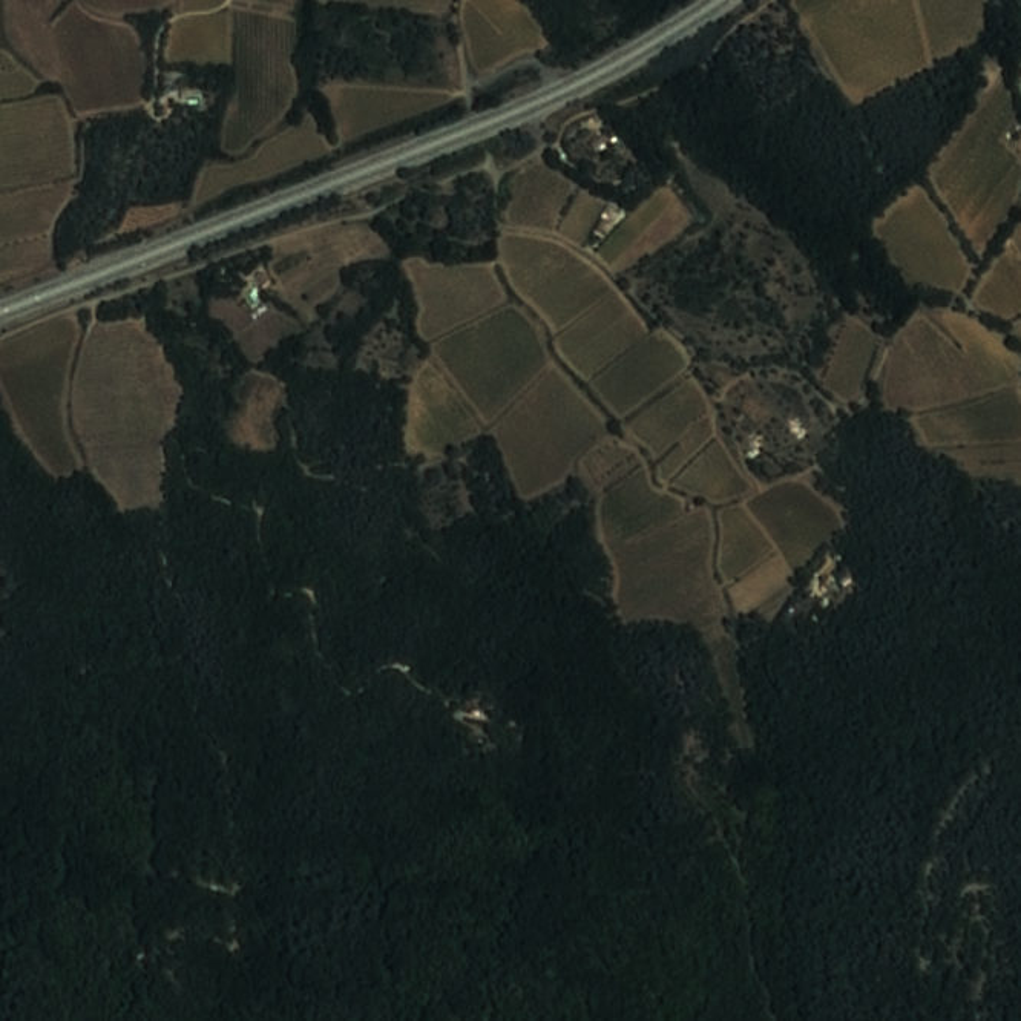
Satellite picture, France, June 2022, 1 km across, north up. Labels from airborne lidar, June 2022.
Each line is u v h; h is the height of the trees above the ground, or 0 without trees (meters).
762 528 0
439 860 10
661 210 0
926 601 13
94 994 11
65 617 10
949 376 0
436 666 11
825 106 10
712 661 15
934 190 6
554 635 18
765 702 15
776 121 8
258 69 0
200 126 9
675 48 6
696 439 0
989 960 7
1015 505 13
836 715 12
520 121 0
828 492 9
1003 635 10
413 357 0
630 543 0
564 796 16
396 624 7
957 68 19
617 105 10
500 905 13
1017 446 0
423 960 11
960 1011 9
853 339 0
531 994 8
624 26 7
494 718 14
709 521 0
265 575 14
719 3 0
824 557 9
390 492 6
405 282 7
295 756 12
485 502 15
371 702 11
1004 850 14
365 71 13
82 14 0
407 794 11
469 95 0
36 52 0
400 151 0
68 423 0
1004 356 0
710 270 7
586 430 0
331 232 0
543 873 15
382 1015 9
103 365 0
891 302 9
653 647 8
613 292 0
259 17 0
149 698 14
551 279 0
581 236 0
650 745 7
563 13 8
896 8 0
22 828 17
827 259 10
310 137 0
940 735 15
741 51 12
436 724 8
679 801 14
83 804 12
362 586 9
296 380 12
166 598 9
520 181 0
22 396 0
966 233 7
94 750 14
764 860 10
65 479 10
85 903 9
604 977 11
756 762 22
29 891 12
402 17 6
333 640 7
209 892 18
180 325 10
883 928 10
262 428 0
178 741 13
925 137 15
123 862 13
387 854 17
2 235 0
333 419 7
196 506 10
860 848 17
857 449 6
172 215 0
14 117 0
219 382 8
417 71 7
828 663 10
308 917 11
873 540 8
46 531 8
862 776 15
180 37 0
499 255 10
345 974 8
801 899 12
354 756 12
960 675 12
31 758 12
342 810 8
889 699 15
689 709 12
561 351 0
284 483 9
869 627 15
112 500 11
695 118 11
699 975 10
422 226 11
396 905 16
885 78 0
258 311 0
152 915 14
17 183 0
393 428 12
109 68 0
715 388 6
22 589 8
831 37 0
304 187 0
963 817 8
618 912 7
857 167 13
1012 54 15
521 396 0
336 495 8
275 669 9
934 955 8
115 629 11
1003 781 10
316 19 6
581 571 9
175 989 20
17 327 0
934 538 13
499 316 0
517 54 0
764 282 11
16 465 10
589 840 13
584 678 19
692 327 0
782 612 6
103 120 5
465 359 0
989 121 0
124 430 0
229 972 10
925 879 12
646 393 0
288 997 14
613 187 11
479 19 0
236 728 11
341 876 11
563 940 9
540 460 0
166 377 0
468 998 16
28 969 10
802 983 17
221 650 8
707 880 8
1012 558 16
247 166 0
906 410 10
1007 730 13
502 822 14
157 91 7
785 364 8
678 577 0
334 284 0
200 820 15
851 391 0
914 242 0
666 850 12
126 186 7
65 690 10
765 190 15
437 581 7
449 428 0
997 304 0
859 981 14
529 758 15
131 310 9
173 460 8
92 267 0
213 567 10
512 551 15
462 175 6
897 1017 11
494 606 18
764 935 13
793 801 13
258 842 15
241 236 10
